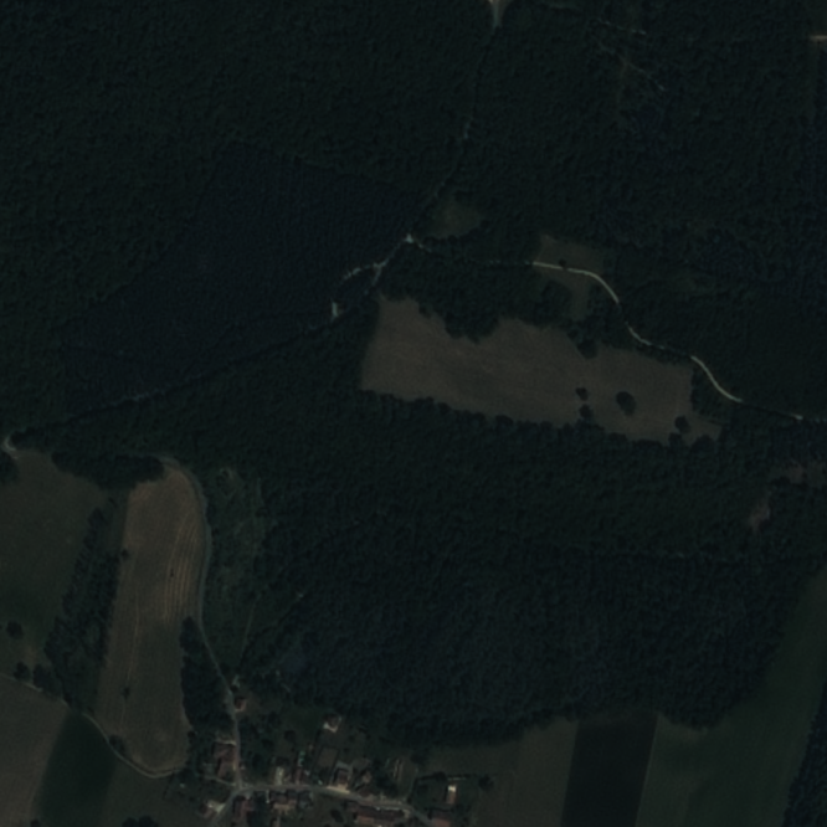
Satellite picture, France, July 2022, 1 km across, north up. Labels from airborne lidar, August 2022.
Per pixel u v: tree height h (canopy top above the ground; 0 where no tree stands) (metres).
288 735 11
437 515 21
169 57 18
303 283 16
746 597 15
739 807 0
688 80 19
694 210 18
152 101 15
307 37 16
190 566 0
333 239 17
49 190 18
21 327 17
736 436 17
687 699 19
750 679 25
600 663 17
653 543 22
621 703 17
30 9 21
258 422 16
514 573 20
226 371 18
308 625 18
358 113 27
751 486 14
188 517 0
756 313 13
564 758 0
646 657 20
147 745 0
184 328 20
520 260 18
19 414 16
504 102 15
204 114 17
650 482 17
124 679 0
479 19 15
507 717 17
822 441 21
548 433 19
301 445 19
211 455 17
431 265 19
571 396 0
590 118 22
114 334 18
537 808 0
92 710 14
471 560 17
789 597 21
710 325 12
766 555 22
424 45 16
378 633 17
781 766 0
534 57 16
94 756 0
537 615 25
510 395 0
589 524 18
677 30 18
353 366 17
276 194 17
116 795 0
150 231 18
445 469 17
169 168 18
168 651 0
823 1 0
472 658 27
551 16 18
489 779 6
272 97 16
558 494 13
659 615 22
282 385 17
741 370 19
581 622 19
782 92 15
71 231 18
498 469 19
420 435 15
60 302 16
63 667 31
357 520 19
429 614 17
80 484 0
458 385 0
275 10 20
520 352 0
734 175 17
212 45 15
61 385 16
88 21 22
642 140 22
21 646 0
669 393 0
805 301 19
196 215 20
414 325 0
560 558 20
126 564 0
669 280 8
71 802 0
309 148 17
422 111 17
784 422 10
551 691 23
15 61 17
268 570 13
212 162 15
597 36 16
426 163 23
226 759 0
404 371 0
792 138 16
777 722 0
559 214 19
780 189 18
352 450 13
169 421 18
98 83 15
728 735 0
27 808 0
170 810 0
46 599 0
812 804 17
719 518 18
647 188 20
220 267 18
